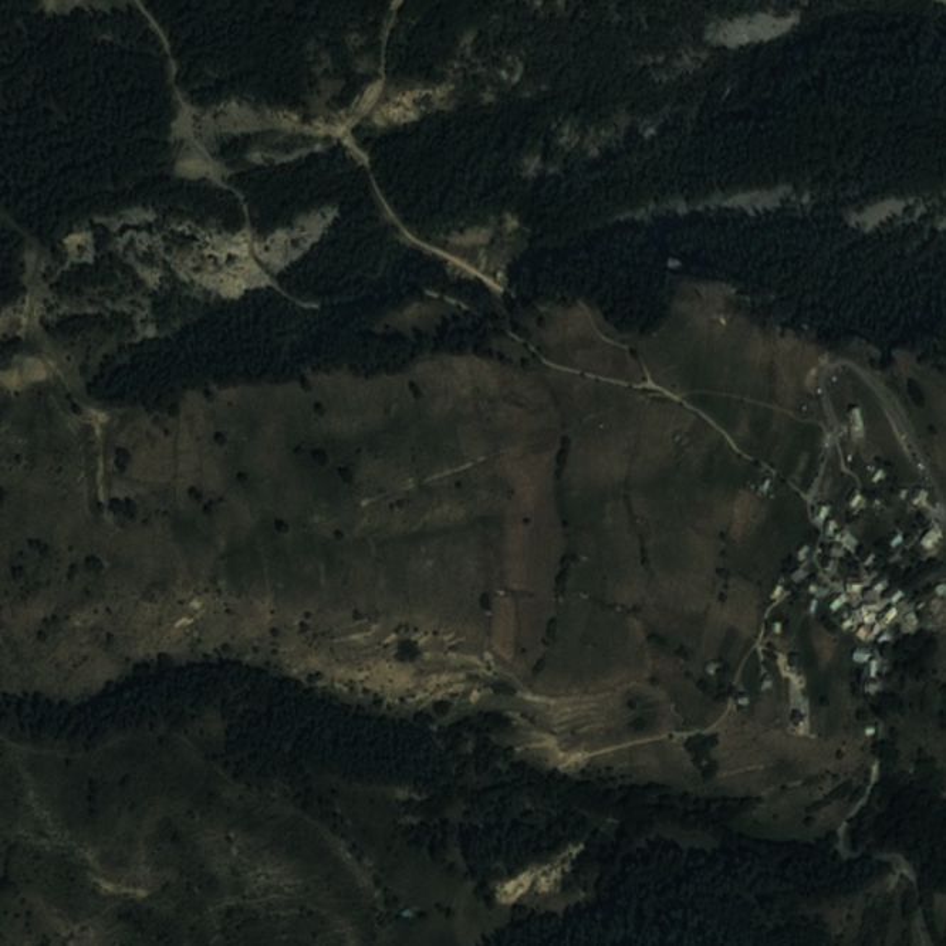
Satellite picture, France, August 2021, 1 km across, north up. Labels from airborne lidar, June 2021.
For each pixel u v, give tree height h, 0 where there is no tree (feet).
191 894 22
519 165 29
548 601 0
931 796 40
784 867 27
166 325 31
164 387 71
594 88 52
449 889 0
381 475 0
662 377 0
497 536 0
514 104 33
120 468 47
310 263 55
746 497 0
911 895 37
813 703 0
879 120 67
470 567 0
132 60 75
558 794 19
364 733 67
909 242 46
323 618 0
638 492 0
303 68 46
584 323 0
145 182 28
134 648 0
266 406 0
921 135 89
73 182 82
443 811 43
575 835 41
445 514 0
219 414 0
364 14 49
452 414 0
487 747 40
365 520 0
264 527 0
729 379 0
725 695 21
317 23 64
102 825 0
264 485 0
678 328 0
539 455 0
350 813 0
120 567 0
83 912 0
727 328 0
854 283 76
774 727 0
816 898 51
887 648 65
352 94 19
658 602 0
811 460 0
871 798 26
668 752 0
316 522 0
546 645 26
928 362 30
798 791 0
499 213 20
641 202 43
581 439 0
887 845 60
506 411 0
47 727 44
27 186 69
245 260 0
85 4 0
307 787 31
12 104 51
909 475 0
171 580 0
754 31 0
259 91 49
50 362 0
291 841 0
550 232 51
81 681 0
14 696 26
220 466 0
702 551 0
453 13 54
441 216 51
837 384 0
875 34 63
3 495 31
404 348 85
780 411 0
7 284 43
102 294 27
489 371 0
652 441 0
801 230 49
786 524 0
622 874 35
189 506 0
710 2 55
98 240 39
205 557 0
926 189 55
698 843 0
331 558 0
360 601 0
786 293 67
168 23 70
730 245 70
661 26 69
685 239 63
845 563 44
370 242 55
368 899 0
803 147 84
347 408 0
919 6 35
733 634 0
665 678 0
